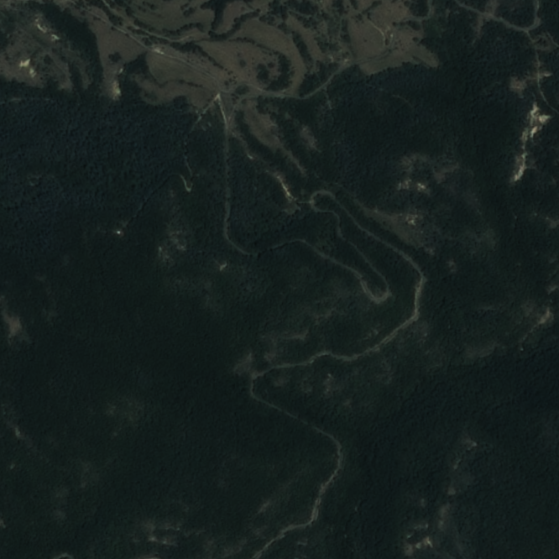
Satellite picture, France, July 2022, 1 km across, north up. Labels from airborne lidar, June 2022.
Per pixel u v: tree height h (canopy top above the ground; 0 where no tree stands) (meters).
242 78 0
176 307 9
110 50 0
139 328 11
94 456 13
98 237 10
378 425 16
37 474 10
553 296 11
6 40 6
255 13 6
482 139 15
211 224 11
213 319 11
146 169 13
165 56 0
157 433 15
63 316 13
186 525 7
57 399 9
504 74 7
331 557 12
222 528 8
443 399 15
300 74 0
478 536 8
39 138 14
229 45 0
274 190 8
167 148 8
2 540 10
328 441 12
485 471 7
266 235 14
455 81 13
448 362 8
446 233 6
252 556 9
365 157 7
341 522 13
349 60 0
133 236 8
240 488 11
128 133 10
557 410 14
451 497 9
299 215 11
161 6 0
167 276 8
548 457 9
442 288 17
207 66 0
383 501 14
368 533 10
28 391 13
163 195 10
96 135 11
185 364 16
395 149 9
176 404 11
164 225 7
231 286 6
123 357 11
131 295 12
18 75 0
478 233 8
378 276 11
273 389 13
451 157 6
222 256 12
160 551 6
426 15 7
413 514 9
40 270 6
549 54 7
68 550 15
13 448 10
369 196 7
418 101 9
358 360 8
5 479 11
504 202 17
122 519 9
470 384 14
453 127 12
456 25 11
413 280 8
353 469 9
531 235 13
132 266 12
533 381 10
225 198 14
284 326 9
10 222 13
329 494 10
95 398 12
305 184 9
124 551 12
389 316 10
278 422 12
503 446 11
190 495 7
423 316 6
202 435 8
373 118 7
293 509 8
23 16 7
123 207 7
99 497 10
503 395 11
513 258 10
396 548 9
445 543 7
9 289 9
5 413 8
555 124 7
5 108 10
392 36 0
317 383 11
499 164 12
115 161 12
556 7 12
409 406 13
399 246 10
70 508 12
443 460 10
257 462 7
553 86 9
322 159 8
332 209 11
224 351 12
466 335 9
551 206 9
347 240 8
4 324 8
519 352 8
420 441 9
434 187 8
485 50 10
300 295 9
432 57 0
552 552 10
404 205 9
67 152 18
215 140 5
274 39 0
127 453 14
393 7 0
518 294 7
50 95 7
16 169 8
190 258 11
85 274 13
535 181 8
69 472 8
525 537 10
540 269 15
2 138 14
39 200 8
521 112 11
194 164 9
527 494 10
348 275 6
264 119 0
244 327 15
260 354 7
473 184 10
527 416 12
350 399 7
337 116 7
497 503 8
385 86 12
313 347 9
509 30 9
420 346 9
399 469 13
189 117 6
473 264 10
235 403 13
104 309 14
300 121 10
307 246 9
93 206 14
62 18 8
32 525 7
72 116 10
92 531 11
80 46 7
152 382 11
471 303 14
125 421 8
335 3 6
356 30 0
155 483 10
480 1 7
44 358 14
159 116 8
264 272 11
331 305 6
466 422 10
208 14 0
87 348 12
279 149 6
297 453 11
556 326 11
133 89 7
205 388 18
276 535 11
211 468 9
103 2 7
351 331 10
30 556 11
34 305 9
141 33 7
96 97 8
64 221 9
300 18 6
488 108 13
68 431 9
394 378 7
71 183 7
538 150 11
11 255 12
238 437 10
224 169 9
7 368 8
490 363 10
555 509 10
